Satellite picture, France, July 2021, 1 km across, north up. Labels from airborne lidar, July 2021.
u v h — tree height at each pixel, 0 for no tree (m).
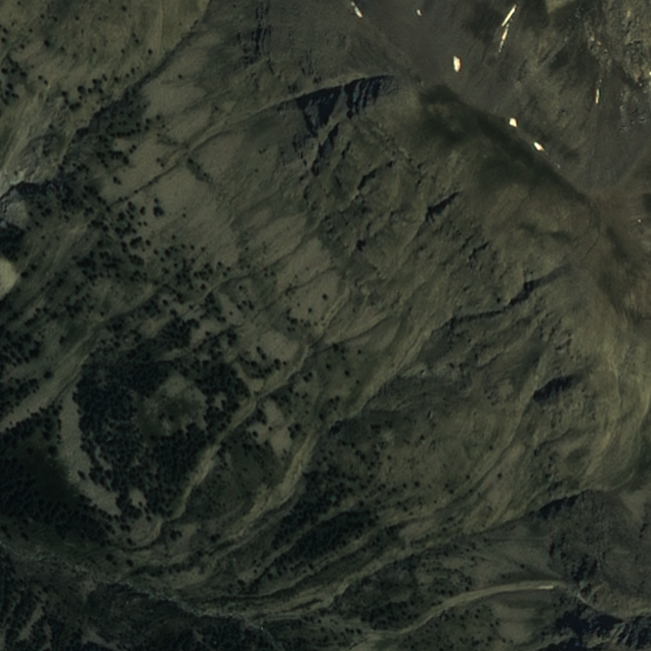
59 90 0
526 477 0
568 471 0
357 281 0
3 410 12
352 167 0
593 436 0
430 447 0
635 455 0
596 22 0
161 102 0
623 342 0
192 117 0
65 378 0
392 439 0
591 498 0
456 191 0
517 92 0
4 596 10
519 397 0
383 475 0
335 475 7
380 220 0
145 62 0
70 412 0
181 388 0
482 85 0
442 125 0
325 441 0
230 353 0
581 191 0
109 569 0
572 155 0
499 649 0
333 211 0
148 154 0
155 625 0
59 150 0
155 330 0
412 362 0
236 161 0
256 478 0
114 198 0
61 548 0
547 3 0
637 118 0
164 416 8
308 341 0
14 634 16
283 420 0
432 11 0
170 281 0
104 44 0
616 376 0
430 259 0
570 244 0
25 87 0
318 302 0
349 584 0
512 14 0
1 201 0
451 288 0
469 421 0
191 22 0
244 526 0
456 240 0
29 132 0
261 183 0
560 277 0
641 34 0
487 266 0
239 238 0
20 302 0
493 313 0
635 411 0
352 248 0
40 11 0
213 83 0
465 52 0
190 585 0
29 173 0
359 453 8
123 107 0
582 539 0
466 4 0
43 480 0
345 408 0
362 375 0
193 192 0
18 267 0
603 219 0
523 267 0
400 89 0
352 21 0
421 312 0
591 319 0
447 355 0
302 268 0
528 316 0
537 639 0
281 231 0
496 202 0
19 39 0
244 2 0
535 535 0
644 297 0
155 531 0
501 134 0
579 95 0
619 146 0
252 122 0
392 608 11
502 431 0
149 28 0
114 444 13
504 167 0
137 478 11
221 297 0
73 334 0
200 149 0
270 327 0
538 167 0
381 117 0
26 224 0
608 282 0
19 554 0
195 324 11
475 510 0
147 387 8
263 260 0
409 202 0
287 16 0
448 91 0
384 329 0
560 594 0
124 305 0
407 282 0
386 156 0
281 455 0
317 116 0
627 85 0
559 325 0
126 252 10
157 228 0
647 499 0
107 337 0
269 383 0
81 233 0
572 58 0
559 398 0
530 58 0
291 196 0
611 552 0
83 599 0
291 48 0
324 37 0
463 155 0
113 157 8
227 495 0
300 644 7
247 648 7
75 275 0
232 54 0
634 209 0
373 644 0
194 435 11
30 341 16
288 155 0
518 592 0
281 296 0
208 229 0
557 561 0
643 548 0
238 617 0
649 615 0
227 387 8
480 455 0
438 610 0
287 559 11
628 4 0
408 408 0
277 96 0
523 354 0
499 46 0
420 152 0
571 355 0
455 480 0
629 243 0
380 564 0
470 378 0
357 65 0
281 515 0
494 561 0
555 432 0
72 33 0
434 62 0
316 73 0
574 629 0
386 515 0
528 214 0
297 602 0
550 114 0
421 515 0
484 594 0
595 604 0
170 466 9
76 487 0
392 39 0
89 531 16
